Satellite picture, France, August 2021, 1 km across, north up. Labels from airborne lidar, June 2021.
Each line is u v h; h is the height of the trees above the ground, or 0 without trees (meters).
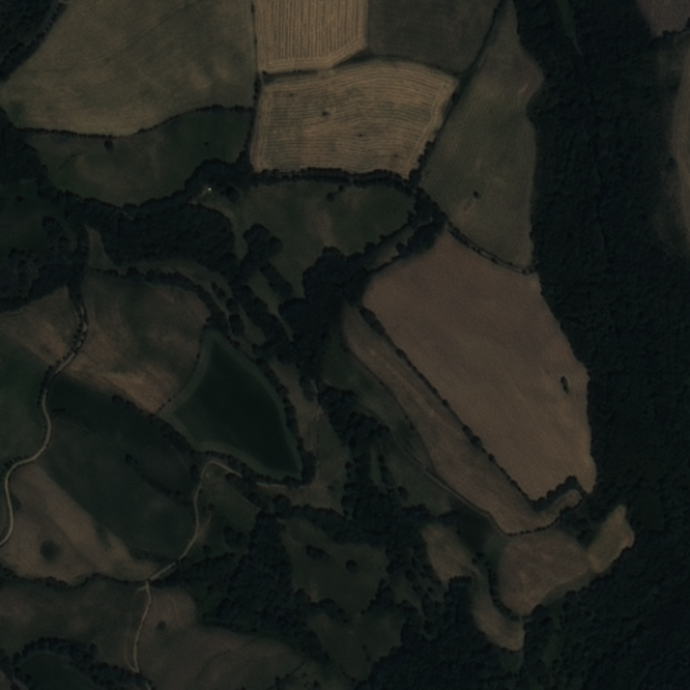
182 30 0
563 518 11
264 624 15
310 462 16
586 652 21
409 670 24
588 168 22
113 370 0
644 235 13
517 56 0
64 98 0
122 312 0
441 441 0
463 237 7
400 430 0
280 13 0
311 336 23
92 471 0
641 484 14
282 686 14
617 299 19
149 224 17
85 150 0
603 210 24
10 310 10
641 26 11
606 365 21
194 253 21
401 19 0
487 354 0
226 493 0
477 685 27
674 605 21
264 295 0
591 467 0
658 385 32
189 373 0
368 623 0
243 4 0
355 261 18
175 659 0
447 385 0
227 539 9
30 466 0
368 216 0
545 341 0
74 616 0
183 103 0
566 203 19
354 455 15
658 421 26
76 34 0
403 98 0
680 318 9
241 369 0
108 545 0
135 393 0
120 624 0
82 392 0
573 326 17
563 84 10
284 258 0
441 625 21
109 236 23
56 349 0
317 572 0
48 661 0
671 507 15
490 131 0
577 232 9
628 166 16
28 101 0
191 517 0
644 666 17
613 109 16
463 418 0
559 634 9
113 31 0
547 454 0
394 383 0
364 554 0
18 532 0
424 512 15
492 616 0
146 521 0
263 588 17
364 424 18
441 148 0
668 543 17
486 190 0
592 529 12
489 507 0
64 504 0
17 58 14
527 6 13
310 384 18
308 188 0
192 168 0
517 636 0
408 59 0
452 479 0
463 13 0
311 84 0
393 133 0
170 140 0
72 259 13
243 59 0
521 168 0
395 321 0
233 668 0
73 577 0
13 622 0
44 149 0
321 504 0
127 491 0
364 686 9
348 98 0
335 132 0
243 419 0
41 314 0
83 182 0
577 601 14
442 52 0
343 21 0
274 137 0
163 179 0
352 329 0
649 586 27
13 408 0
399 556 14
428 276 0
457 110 0
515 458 0
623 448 7
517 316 0
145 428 0
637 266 17
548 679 17
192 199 10
